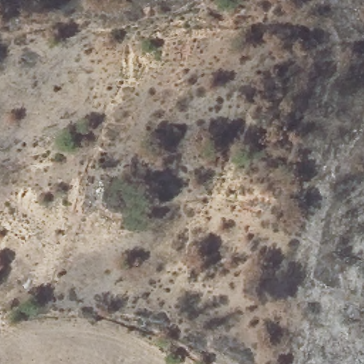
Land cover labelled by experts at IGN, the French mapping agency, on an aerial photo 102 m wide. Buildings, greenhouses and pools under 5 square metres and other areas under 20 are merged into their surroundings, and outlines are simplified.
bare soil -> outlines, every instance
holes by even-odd
[[[282,166],[284,171],[299,176],[299,192],[290,193],[290,199],[296,200],[301,215],[310,219],[306,225],[306,232],[301,237],[287,236],[283,232],[273,232],[272,229],[260,226],[264,220],[274,218],[272,209],[276,205],[276,198],[273,198],[272,193],[260,191],[259,185],[250,183],[249,176],[229,162],[225,166],[226,175],[222,176],[215,176],[215,172],[203,166],[195,169],[195,185],[185,186],[182,192],[172,199],[175,205],[179,205],[181,219],[173,220],[171,229],[166,229],[164,233],[121,229],[122,213],[112,212],[102,200],[104,183],[101,181],[101,175],[124,175],[125,165],[131,164],[134,155],[139,162],[148,164],[152,171],[162,171],[164,161],[159,156],[149,155],[141,146],[145,141],[146,124],[156,129],[162,122],[191,125],[199,119],[210,121],[220,117],[245,119],[247,125],[266,129],[266,135],[260,139],[260,144],[266,145],[266,149],[257,152],[255,158],[264,162],[267,168]],[[85,134],[94,134],[97,138],[95,142],[91,144],[90,141],[82,141],[81,148],[75,149],[74,152],[68,151],[65,146],[57,146],[55,142],[58,136],[63,134],[64,128],[81,121],[82,118],[87,119]],[[151,346],[158,347],[166,354],[168,364],[364,364],[364,0],[247,0],[245,9],[233,13],[232,10],[225,10],[209,0],[0,0],[0,306],[3,309],[9,303],[11,307],[16,307],[18,301],[30,300],[38,314],[36,320],[63,320],[70,323],[84,317],[88,318],[90,324],[97,324],[97,321],[101,320],[108,321],[115,326],[127,328],[128,331],[135,331]]]

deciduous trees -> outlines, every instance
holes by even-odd
[[[30,300],[18,301],[16,307],[11,307],[9,303],[3,309],[3,313],[11,314],[13,324],[36,320],[38,314]]]

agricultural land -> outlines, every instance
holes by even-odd
[[[135,331],[128,331],[127,328],[115,326],[108,321],[101,320],[97,321],[97,324],[90,324],[88,318],[84,317],[70,323],[63,320],[36,320],[13,324],[11,314],[3,313],[3,309],[0,306],[0,364],[168,364],[166,354],[158,347],[151,346]]]

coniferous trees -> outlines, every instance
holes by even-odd
[[[209,0],[225,10],[232,10],[233,13],[245,9],[247,0]]]
[[[90,141],[91,144],[95,142],[97,138],[94,134],[85,134],[87,119],[82,118],[81,121],[64,128],[63,134],[58,136],[55,142],[57,146],[65,146],[68,151],[74,152],[75,149],[81,148],[82,141]]]
[[[173,220],[181,219],[179,205],[175,205],[172,199],[182,192],[185,186],[195,185],[195,169],[203,166],[215,172],[215,176],[222,176],[226,175],[225,166],[229,162],[249,176],[250,183],[259,185],[260,191],[272,193],[273,198],[276,198],[276,205],[272,209],[274,218],[264,220],[260,226],[272,229],[273,232],[283,232],[287,236],[301,237],[306,232],[306,225],[310,219],[301,215],[296,200],[290,199],[290,193],[299,192],[299,176],[284,171],[282,166],[267,168],[264,162],[255,158],[257,152],[266,149],[266,145],[260,144],[260,139],[266,135],[266,129],[247,125],[245,119],[220,117],[210,121],[199,119],[191,125],[162,122],[156,129],[146,124],[145,141],[141,146],[149,155],[159,156],[164,161],[162,171],[152,171],[148,164],[139,162],[134,155],[131,164],[125,165],[124,175],[101,175],[101,181],[104,183],[102,200],[112,212],[122,213],[121,229],[164,233],[166,229],[171,229]]]

